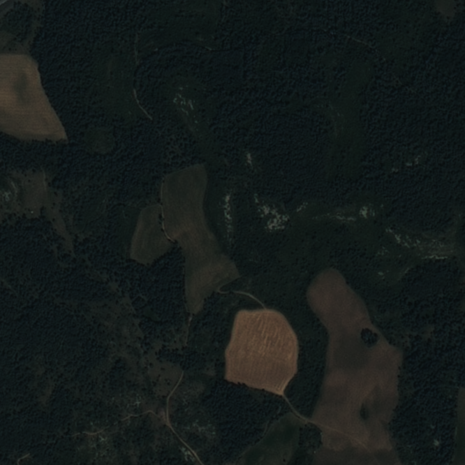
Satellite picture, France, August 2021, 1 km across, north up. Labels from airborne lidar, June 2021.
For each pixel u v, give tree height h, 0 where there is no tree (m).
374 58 13
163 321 11
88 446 0
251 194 7
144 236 0
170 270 12
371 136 6
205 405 10
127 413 0
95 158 9
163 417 0
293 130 14
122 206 7
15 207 0
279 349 0
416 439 10
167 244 0
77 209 8
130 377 0
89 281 10
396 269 0
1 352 12
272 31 6
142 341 7
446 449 19
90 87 6
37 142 7
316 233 10
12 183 0
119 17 9
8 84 0
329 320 0
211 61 10
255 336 0
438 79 9
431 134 10
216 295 7
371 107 15
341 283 0
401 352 0
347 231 12
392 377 0
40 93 0
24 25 7
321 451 0
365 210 0
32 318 12
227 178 6
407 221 11
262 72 8
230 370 0
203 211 0
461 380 15
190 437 6
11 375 12
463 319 10
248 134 12
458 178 10
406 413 5
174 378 0
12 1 0
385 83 16
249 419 9
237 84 12
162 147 12
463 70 14
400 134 12
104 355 10
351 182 12
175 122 6
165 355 10
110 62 0
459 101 10
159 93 6
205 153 0
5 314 13
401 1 11
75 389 7
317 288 0
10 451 10
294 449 0
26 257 15
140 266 13
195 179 0
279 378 0
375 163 13
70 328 13
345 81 7
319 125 10
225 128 10
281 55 9
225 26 7
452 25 9
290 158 12
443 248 0
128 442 7
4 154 14
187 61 6
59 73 15
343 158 9
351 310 0
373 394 0
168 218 0
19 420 12
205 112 10
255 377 0
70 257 10
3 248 13
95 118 14
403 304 14
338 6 13
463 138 8
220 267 0
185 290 9
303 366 6
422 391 14
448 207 10
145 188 10
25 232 17
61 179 6
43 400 0
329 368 0
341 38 9
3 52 0
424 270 15
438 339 11
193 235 0
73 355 7
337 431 0
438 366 17
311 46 10
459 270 9
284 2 8
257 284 6
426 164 8
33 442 11
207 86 8
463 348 15
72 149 13
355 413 0
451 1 0
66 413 15
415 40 12
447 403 17
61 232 0
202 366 10
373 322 8
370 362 0
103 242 11
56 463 9
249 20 6
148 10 8
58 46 12
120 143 15
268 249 6
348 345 0
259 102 11
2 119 0
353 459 0
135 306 9
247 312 0
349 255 8
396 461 0
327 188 14
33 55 8
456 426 9
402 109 11
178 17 9
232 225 0
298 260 10
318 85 16
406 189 14
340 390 0
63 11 12
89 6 14
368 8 19
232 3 6
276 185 6
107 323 0
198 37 8
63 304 8
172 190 0
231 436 16
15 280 12
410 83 8
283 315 0
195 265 0
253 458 0
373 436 0
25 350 11
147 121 12
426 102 12
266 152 12
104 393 6
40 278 9
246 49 14
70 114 16
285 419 0
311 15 11
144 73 12
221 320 10
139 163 13
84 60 7
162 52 8
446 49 11
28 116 0
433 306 9
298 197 9
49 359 7
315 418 0
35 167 9
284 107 13
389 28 9
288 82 9
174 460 10
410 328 13
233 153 8
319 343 7
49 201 0
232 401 17
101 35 8
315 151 11
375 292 5
